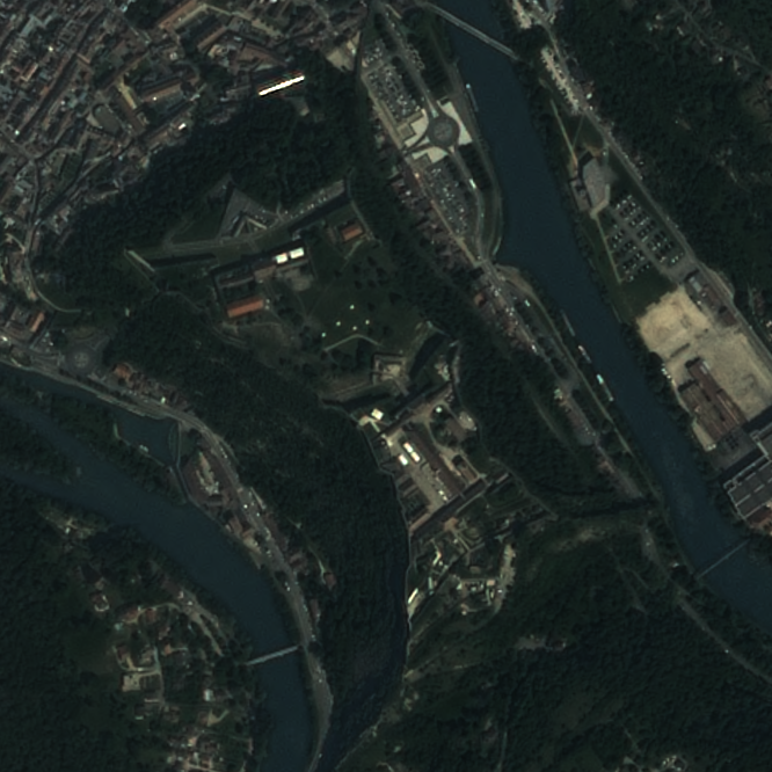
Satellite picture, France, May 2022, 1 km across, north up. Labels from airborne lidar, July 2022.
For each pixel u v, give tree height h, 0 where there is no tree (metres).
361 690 11
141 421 0
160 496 0
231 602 0
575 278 0
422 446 0
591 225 0
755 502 0
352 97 20
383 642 15
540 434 23
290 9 12
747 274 8
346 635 10
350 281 0
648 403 0
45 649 20
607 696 7
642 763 8
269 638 0
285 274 0
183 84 0
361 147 12
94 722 0
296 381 8
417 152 0
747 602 0
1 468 0
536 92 17
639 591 13
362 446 8
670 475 0
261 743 17
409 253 13
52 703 15
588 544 6
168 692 6
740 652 19
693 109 14
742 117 21
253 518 0
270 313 0
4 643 19
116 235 20
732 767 9
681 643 14
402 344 0
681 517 0
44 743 14
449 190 0
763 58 9
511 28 17
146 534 0
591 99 7
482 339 19
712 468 13
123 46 0
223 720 0
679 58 16
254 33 7
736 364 0
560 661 20
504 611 12
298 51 15
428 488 0
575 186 0
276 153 18
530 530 10
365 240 0
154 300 9
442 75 13
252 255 0
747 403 0
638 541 11
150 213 25
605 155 0
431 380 9
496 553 10
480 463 0
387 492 12
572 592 27
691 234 13
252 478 14
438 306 11
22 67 0
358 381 0
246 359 10
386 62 0
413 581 0
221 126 18
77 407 9
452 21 0
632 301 0
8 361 0
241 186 18
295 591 0
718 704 24
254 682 9
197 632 12
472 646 7
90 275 20
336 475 19
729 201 11
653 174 9
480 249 0
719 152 7
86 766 19
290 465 15
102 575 16
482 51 0
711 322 0
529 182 0
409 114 0
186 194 19
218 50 0
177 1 0
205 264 0
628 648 8
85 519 13
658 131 14
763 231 11
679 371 0
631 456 14
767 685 23
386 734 9
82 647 0
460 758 15
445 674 5
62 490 0
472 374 17
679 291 0
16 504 23
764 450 0
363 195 13
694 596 19
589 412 9
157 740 13
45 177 0
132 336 12
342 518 11
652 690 13
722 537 0
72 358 0
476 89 0
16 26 0
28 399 11
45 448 16
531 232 0
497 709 22
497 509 0
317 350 11
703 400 0
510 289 0
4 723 15
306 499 17
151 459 8
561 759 9
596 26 6
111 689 0
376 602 13
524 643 0
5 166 0
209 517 0
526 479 27
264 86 0
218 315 0
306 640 0
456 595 9
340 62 0
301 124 0
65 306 0
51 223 0
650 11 13
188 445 0
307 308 0
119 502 0
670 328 0
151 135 0
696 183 15
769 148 7
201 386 11
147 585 17
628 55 12
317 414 8
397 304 12
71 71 0
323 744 0
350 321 0
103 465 0
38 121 0
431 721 20
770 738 30
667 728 21
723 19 7
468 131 0
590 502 6
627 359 0
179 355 16
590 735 13
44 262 16
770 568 0
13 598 22
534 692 16
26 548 18
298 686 0
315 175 18
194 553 0
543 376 21
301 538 15
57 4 0
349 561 17
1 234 17
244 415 7
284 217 0
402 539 9
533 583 7
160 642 7
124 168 0
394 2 0
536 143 0
